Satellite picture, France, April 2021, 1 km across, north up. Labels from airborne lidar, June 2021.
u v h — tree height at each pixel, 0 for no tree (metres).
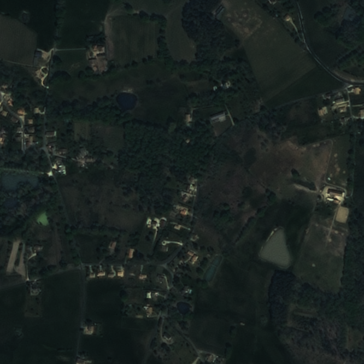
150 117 0
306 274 0
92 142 6
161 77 0
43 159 13
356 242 16
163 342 0
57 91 0
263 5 5
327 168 0
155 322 0
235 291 0
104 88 0
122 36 0
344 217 0
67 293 0
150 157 19
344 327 17
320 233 0
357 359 22
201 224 0
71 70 0
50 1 0
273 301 20
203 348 0
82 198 0
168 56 16
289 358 0
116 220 0
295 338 11
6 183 0
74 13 0
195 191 0
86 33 0
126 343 0
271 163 0
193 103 17
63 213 16
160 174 11
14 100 15
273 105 0
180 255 12
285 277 18
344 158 0
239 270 0
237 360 0
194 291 0
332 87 0
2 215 10
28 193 13
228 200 0
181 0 0
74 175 0
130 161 18
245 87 8
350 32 25
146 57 0
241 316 0
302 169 0
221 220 16
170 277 0
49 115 20
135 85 0
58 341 0
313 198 0
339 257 0
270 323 0
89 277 11
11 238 19
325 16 16
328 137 8
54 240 0
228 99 8
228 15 0
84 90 0
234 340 0
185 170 12
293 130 0
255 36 0
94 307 0
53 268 11
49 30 0
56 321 0
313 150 0
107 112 20
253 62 0
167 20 9
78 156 10
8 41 0
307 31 0
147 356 0
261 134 0
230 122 0
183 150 16
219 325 0
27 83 10
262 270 0
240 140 0
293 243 0
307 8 0
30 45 0
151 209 17
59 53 0
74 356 0
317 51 0
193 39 13
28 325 0
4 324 0
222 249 8
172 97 0
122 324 0
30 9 0
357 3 24
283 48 0
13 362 0
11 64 0
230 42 0
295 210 0
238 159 7
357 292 17
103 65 0
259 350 0
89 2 0
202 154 13
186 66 20
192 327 0
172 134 20
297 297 18
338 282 0
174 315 12
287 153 0
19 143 0
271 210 0
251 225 16
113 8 0
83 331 7
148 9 0
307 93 0
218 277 0
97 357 0
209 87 0
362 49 13
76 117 22
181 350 0
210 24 19
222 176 0
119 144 0
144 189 12
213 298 0
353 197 6
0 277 0
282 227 0
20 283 0
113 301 0
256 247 0
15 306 0
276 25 0
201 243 0
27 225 9
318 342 10
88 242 0
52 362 0
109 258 7
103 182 0
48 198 22
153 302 0
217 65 16
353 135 8
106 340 0
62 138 8
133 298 0
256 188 0
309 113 0
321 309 10
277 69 0
